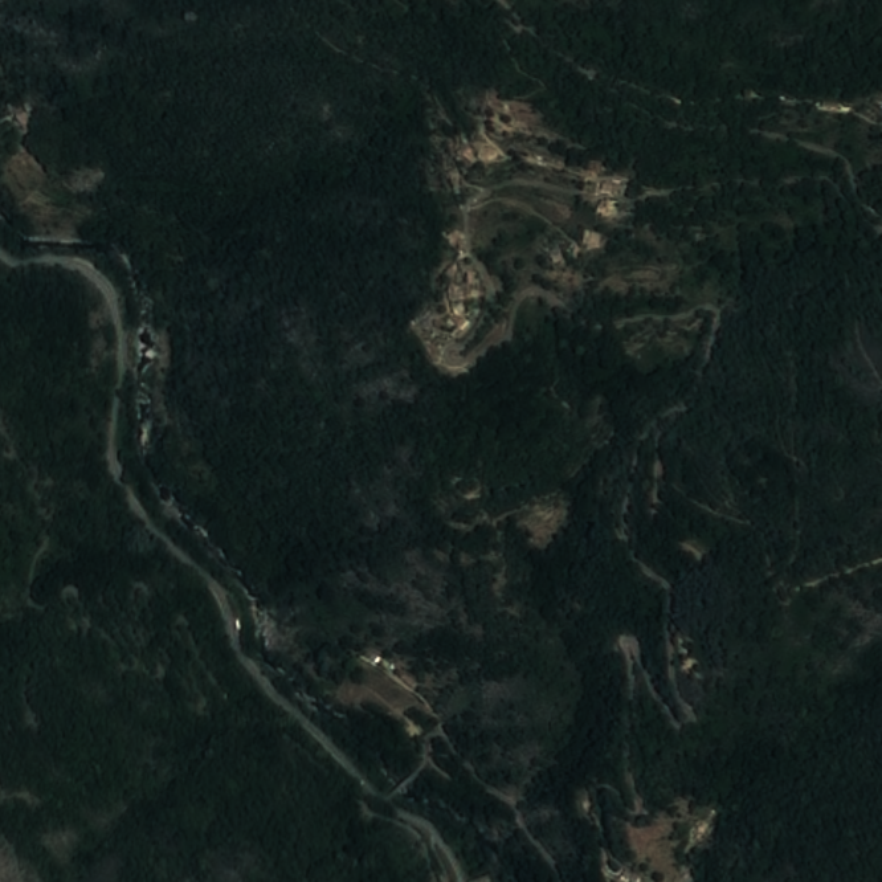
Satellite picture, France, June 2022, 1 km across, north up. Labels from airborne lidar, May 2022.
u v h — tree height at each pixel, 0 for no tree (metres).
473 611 10
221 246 14
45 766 7
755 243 10
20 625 13
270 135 13
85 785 18
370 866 15
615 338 18
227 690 8
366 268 6
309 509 12
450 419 7
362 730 13
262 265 15
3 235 20
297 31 6
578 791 14
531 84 7
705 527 13
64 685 17
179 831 8
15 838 9
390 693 0
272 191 17
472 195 8
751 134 8
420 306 6
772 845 9
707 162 12
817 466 11
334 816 7
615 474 12
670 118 13
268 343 9
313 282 10
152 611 7
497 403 18
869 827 9
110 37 14
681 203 12
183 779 15
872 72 18
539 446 15
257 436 16
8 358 14
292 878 7
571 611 10
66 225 0
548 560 19
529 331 9
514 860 17
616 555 20
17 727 12
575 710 7
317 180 19
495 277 6
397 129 23
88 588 19
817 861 13
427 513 9
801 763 23
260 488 16
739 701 12
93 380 10
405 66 7
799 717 14
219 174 16
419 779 13
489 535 19
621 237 16
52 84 11
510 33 9
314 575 17
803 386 13
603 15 14
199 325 8
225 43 8
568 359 18
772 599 8
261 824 11
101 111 13
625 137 12
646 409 16
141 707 8
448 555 13
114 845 9
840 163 12
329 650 25
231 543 10
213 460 15
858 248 16
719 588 21
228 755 14
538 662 7
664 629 7
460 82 8
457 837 9
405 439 10
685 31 8
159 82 15
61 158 13
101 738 18
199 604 11
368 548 9
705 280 14
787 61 11
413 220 9
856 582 11
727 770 12
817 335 14
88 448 7
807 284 10
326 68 7
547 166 0
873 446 11
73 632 12
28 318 12
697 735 13
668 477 11
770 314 12
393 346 8
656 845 0
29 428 14
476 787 6
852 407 11
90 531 10
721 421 11
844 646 10
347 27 10
